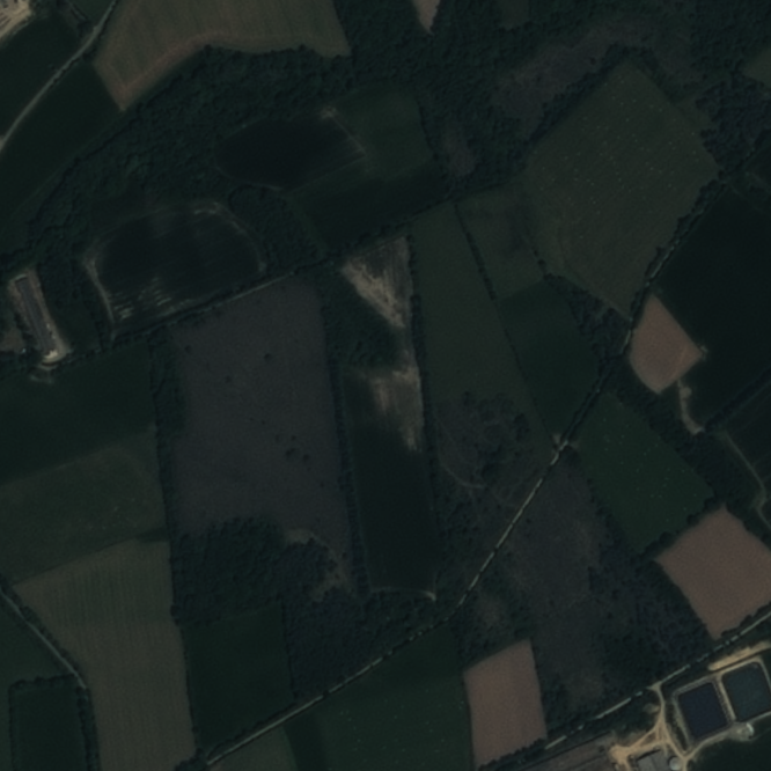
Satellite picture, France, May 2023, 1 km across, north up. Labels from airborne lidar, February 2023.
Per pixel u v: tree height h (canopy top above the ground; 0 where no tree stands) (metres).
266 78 23
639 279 0
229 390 0
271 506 0
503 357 0
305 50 14
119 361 0
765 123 18
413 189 0
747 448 0
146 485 0
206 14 0
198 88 7
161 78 0
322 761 0
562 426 0
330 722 0
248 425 0
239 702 0
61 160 0
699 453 16
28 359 18
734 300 0
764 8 13
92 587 0
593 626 0
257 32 0
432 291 0
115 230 0
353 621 6
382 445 0
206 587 14
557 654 0
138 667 0
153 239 0
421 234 0
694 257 0
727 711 0
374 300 0
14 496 0
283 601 15
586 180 0
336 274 8
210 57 15
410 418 0
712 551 0
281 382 0
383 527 0
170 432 9
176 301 0
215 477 0
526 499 0
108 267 0
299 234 14
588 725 8
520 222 0
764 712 0
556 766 0
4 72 0
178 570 9
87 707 12
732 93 12
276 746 0
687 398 0
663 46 0
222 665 0
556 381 0
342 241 0
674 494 0
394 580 0
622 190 0
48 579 0
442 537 9
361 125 0
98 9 0
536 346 0
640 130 0
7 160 0
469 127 15
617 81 0
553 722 8
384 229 12
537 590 0
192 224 0
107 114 0
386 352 12
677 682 6
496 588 7
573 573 0
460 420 0
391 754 0
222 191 15
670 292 0
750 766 0
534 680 0
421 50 17
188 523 0
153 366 7
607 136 0
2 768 0
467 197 6
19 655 0
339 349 11
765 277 0
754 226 0
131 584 0
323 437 0
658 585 6
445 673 0
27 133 0
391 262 0
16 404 0
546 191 0
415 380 0
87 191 7
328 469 0
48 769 0
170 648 0
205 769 13
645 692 7
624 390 15
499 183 6
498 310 0
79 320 0
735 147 17
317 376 0
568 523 0
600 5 8
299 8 0
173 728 0
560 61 0
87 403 0
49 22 0
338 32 0
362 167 0
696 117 0
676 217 0
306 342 0
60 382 0
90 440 0
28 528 0
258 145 0
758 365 0
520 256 0
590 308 13
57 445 0
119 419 0
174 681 0
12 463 0
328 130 0
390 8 21
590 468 0
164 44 0
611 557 15
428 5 0
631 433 0
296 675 10
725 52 15
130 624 0
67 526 0
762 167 0
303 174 0
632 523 0
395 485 0
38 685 12
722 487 16
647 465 0
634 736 0
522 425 9
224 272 0
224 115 12
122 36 0
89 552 0
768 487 0
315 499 0
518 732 0
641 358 0
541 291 0
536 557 0
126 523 0
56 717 0
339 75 15
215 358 0
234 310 0
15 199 0
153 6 0
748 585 0
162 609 0
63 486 0
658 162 0
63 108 0
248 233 0
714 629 0
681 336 0
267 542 12
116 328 0
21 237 0
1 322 14
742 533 0
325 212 0
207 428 0
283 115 15
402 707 0
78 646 0
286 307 0
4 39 0
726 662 0
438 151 12
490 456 9
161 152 16
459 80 12
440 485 10
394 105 0
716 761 0
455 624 10
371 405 0
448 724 0
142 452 0
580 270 0
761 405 0
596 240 0
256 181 0
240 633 0
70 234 19
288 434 0
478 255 14
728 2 14
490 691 0
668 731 0
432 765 0
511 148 6
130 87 0
